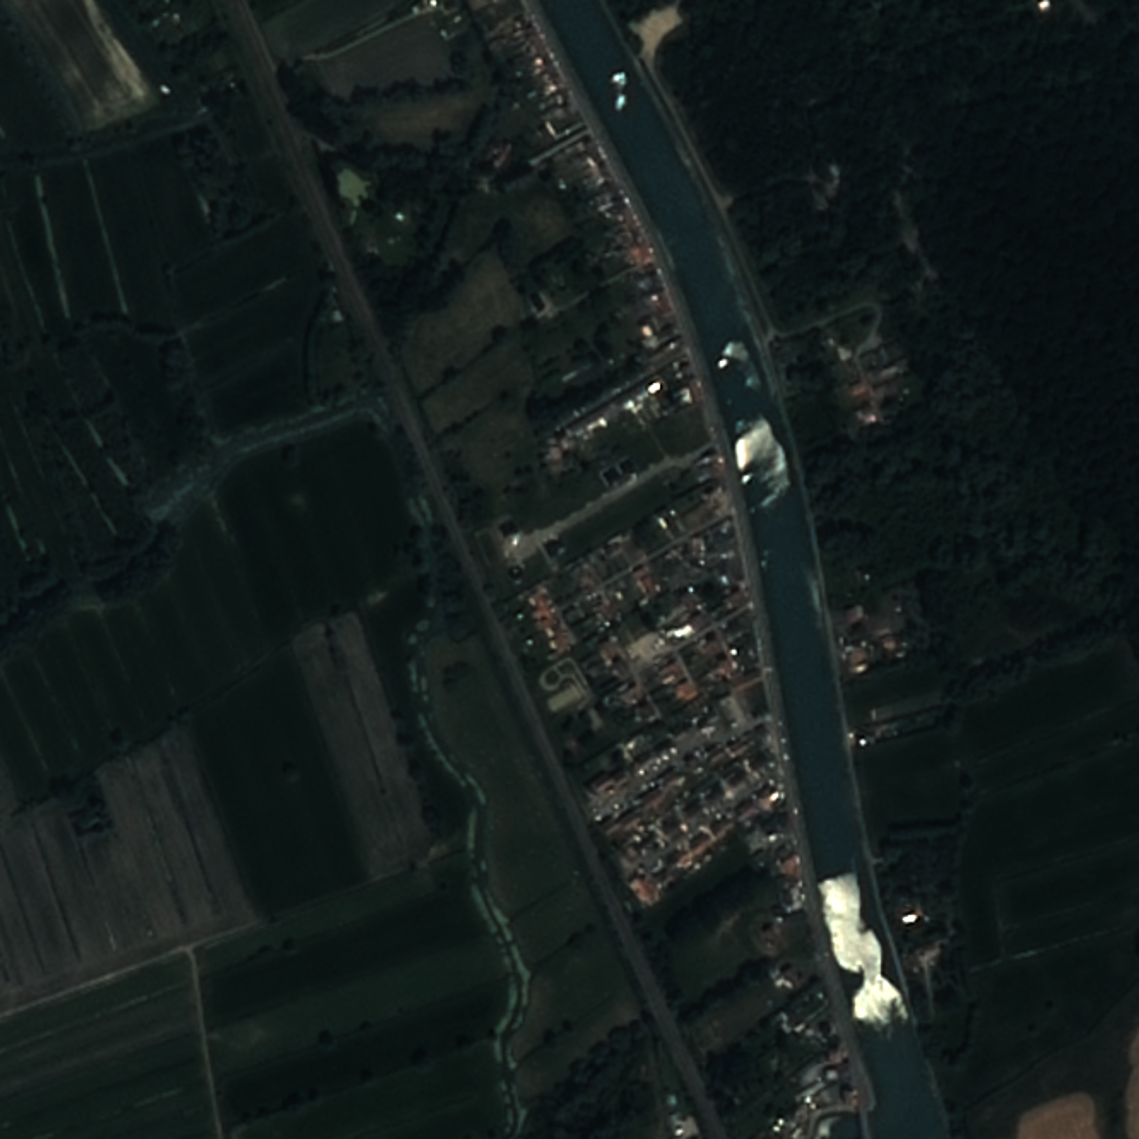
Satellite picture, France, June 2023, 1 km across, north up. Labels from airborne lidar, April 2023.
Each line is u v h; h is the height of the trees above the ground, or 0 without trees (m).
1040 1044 0
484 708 0
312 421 0
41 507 0
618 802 0
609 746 0
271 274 0
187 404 6
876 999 0
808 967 0
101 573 13
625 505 0
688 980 0
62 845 0
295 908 0
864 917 0
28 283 0
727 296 0
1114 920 0
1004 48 15
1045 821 0
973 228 23
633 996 0
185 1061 0
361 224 0
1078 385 17
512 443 0
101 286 0
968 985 6
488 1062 0
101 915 0
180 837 0
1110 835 0
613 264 0
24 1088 0
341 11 0
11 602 11
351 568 0
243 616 0
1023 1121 0
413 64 0
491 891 0
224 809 0
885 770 0
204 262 0
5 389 0
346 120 16
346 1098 0
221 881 0
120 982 0
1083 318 21
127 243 0
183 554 0
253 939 0
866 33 13
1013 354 12
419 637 0
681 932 20
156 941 0
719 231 0
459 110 0
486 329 0
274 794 0
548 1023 0
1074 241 18
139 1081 0
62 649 0
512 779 0
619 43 0
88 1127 0
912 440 23
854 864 0
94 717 0
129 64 0
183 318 0
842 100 18
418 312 12
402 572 0
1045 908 0
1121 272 18
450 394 0
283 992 0
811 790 0
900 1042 0
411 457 7
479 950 0
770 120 15
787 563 0
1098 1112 0
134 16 0
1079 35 12
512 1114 0
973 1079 0
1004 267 15
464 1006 0
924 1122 0
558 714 0
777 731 0
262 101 0
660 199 0
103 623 0
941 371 22
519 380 0
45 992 0
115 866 0
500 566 0
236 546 0
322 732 0
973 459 24
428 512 0
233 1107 0
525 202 0
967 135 18
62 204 0
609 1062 15
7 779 0
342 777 0
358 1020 0
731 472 0
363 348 12
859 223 16
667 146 0
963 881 0
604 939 0
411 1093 0
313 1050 0
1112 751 0
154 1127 0
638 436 0
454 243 0
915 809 0
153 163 0
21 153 0
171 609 0
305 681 0
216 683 0
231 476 0
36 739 0
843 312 0
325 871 0
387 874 0
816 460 13
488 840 0
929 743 0
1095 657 0
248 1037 0
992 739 0
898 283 9
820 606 0
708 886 0
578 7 0
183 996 0
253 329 0
